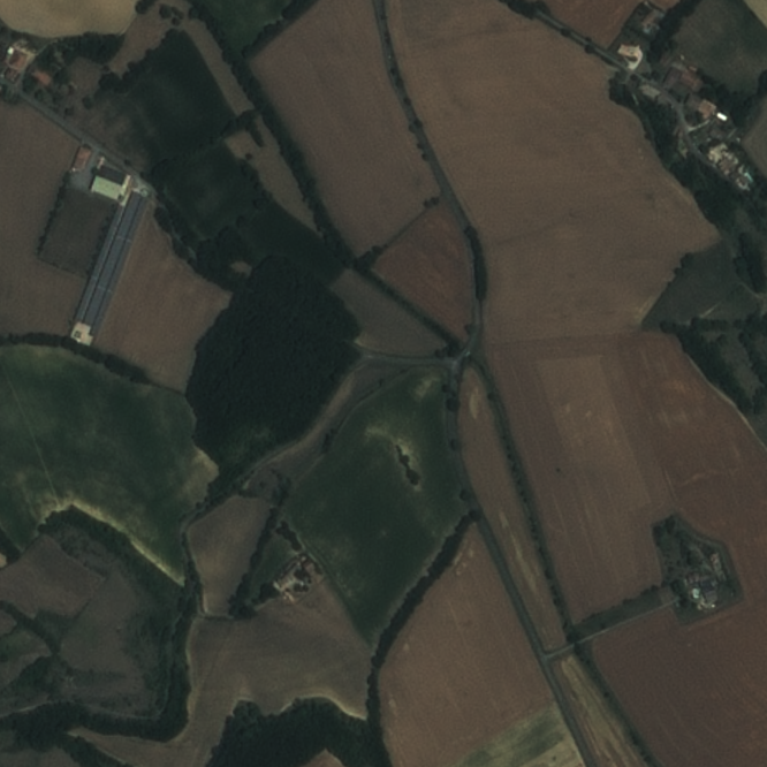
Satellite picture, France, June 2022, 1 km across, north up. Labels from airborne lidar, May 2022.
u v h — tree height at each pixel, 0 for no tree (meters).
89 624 0
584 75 0
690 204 0
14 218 0
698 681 0
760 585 0
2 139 0
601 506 0
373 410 0
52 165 0
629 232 0
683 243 0
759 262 11
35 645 0
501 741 0
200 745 0
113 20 0
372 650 0
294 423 14
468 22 0
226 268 19
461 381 10
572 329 0
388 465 0
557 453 0
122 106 0
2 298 0
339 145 0
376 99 0
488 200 0
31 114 0
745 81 0
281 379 16
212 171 0
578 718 0
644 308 0
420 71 0
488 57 0
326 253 0
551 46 0
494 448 0
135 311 0
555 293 0
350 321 19
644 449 0
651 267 0
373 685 12
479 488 0
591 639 0
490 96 0
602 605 0
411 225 0
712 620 0
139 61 6
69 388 0
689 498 0
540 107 0
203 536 0
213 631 0
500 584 0
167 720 18
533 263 0
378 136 0
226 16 0
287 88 0
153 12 0
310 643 0
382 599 0
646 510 0
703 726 0
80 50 15
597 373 0
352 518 0
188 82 0
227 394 17
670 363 0
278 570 0
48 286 0
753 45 0
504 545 0
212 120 0
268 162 0
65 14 0
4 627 0
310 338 17
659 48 17
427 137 0
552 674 0
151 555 0
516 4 16
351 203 0
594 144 0
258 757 14
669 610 0
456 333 0
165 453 0
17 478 0
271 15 0
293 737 18
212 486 10
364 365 0
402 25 0
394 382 0
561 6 0
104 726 15
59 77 17
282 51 0
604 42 0
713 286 0
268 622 0
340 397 0
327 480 0
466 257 0
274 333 17
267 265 20
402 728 0
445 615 0
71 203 0
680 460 0
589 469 0
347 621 0
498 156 0
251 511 0
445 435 0
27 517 0
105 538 10
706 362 17
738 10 0
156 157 0
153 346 0
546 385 0
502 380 0
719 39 0
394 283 0
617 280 0
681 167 13
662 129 6
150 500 0
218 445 11
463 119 0
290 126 0
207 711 0
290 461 0
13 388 0
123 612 0
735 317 0
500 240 0
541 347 0
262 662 0
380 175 0
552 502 0
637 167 0
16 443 0
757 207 10
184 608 12
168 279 0
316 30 0
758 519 0
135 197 0
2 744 0
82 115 0
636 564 0
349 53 0
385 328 0
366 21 0
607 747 0
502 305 0
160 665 9
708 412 0
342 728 15
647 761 7
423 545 0
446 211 0
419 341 0
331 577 0
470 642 0
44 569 0
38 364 0
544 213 0
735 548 0
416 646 0
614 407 0
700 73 10
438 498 0
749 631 0
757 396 11
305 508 0
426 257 0
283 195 0
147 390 0
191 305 0
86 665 0
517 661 0
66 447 0
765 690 0
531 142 0
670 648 0
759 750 0
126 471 0
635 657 0
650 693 0
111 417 0
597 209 0
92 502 0
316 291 21
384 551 0
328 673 0
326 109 0
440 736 0
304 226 0
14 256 0
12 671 0
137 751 0
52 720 19
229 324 18
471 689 0
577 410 0
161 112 0
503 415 0
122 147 0
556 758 0
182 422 0
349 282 0
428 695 0
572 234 0
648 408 0
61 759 0
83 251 0
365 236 0
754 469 0
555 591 6
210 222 0
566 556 0
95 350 12
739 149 9
